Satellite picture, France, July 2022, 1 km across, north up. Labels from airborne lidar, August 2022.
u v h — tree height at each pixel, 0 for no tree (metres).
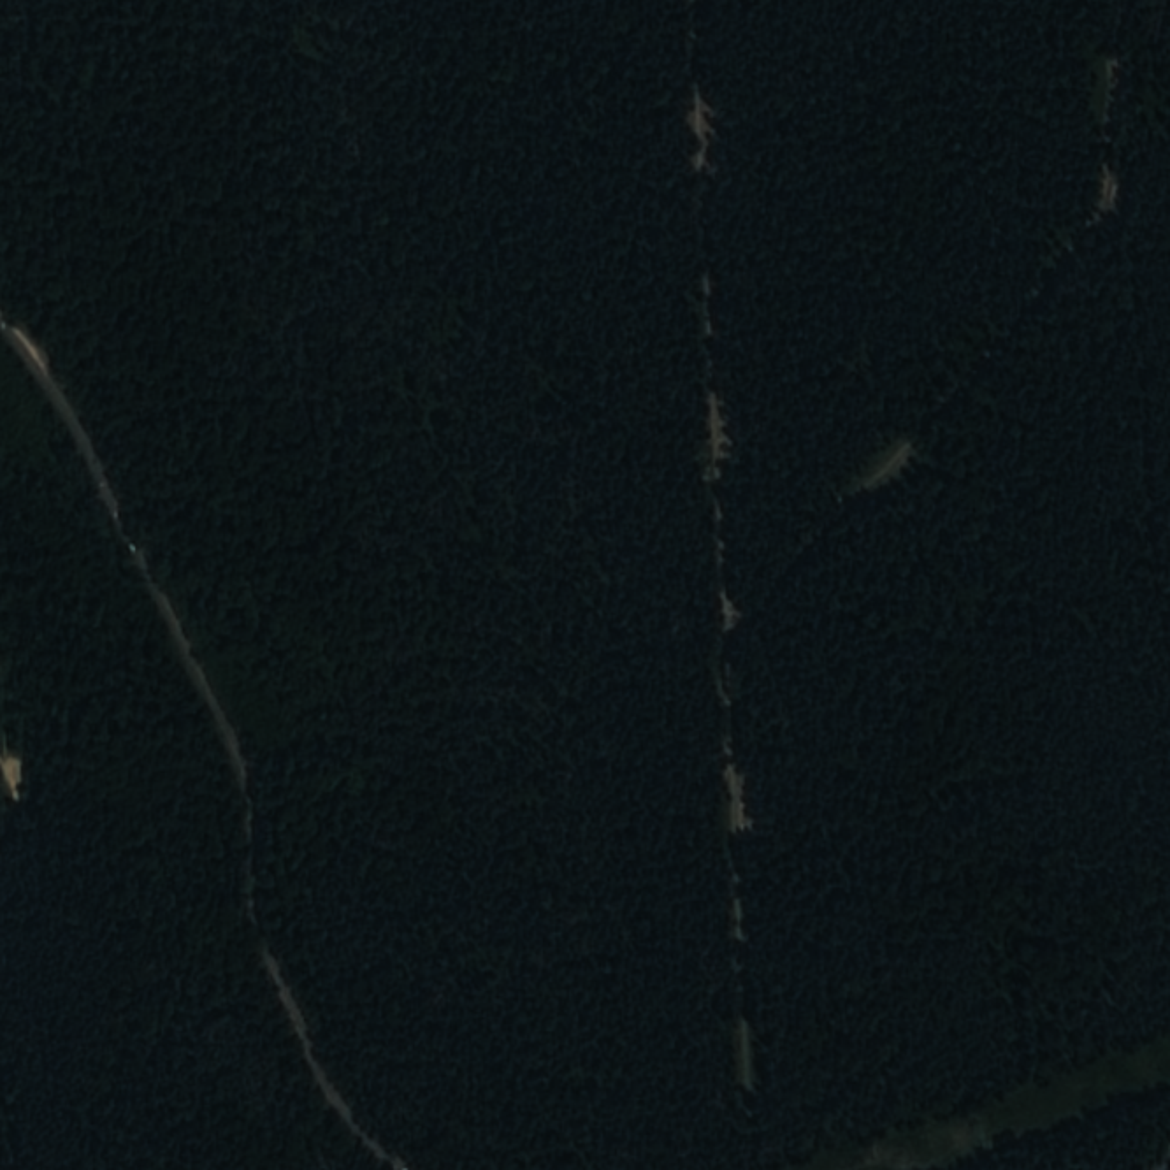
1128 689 26
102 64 21
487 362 26
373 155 23
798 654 28
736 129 28
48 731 18
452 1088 26
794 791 25
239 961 20
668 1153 26
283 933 19
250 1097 20
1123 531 24
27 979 28
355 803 23
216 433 24
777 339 26
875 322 20
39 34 20
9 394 5
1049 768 29
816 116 26
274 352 19
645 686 24
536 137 28
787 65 28
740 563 18
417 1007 21
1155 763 29
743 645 22
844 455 25
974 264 20
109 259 20
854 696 18
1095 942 30
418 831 22
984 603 20
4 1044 29
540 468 27
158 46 18
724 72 22
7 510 11
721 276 25
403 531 24
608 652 23
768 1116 25
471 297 26
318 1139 20
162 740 20
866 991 22
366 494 19
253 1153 21
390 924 28
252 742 15
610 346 17
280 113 20
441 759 16
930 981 28
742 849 25
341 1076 15
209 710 19
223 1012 22
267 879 21
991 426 21
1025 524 25
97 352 12
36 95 22
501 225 30
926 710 25
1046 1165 27
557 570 19
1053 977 22
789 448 20
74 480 20
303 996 17
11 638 16
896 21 22
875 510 27
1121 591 29
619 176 23
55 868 25
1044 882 27
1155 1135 27
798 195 27
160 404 14
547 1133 23
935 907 24
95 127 19
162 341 23
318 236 19
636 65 28
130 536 16
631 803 18
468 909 28
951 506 29
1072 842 34
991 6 24
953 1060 29
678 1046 30
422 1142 21
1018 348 25
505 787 24
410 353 22
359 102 20
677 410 28
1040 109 20
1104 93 0
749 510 28
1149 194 26
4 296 15
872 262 21
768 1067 28
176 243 23
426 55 27
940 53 21
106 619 14
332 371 23
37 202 23
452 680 11
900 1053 25
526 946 27
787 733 22
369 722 16
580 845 23
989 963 28
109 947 24
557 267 25
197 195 21
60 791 22
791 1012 25
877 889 25
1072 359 26
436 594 22
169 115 19
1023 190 22
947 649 21
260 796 22
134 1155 18
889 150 24
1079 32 23
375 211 21
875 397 24
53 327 18
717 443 0
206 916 25
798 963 29
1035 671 29
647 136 29
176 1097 19
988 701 26
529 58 26
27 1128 25
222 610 19
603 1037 25
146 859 23
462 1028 23
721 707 27
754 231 28
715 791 26
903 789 25
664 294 26
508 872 24
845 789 23
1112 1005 35
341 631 24
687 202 33
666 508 27
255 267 21
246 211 23
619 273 20
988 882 25
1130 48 22
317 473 20
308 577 24
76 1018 28
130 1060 25
